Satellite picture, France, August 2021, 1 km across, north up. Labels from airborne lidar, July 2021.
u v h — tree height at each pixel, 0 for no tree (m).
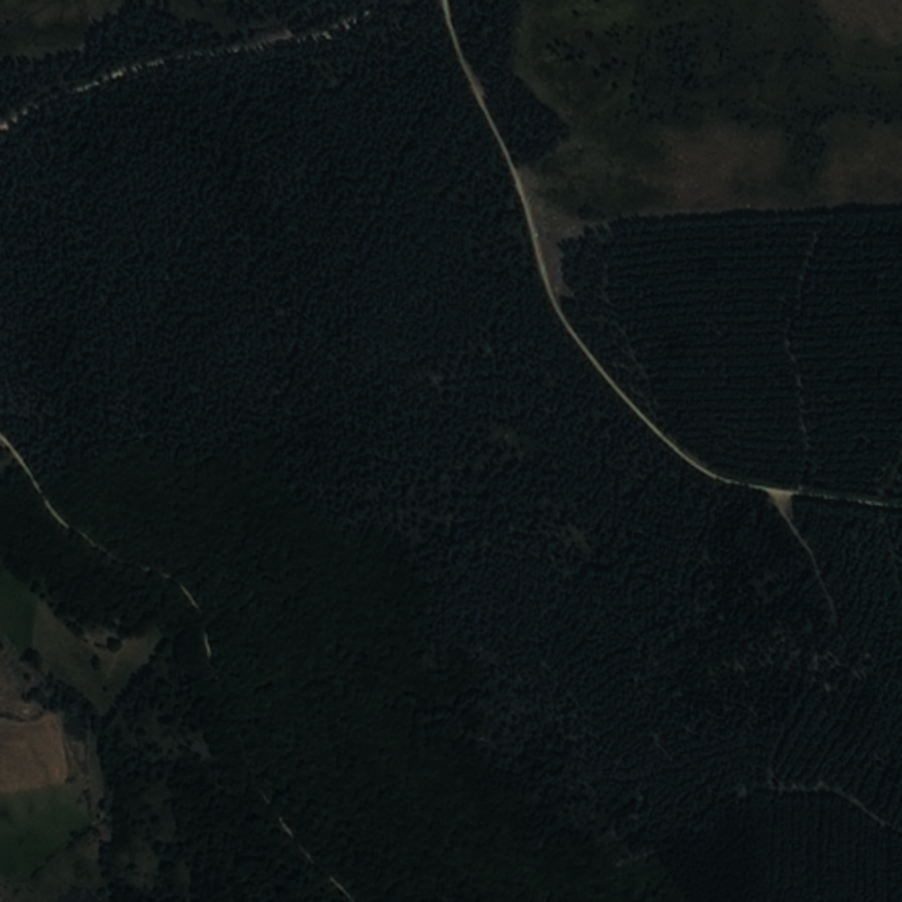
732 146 0
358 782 14
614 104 0
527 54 0
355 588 13
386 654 9
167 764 8
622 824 19
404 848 12
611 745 14
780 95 0
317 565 13
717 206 0
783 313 10
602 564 11
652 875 11
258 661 17
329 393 14
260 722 13
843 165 0
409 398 15
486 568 15
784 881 13
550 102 0
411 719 10
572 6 0
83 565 13
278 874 16
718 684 6
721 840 16
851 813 15
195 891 13
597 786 18
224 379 16
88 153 9
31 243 13
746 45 0
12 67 16
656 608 12
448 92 16
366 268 18
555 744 13
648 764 16
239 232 16
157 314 7
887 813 19
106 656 0
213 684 19
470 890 13
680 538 15
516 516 15
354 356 12
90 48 12
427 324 11
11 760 0
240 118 13
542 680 15
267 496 14
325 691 12
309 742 11
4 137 13
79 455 14
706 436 13
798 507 13
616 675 16
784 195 0
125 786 15
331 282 14
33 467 14
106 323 16
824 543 15
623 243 11
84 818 0
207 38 12
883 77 0
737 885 15
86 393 12
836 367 14
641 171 0
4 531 18
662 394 16
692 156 0
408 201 16
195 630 18
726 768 18
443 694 11
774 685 7
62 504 15
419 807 11
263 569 15
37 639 0
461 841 11
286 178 14
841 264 18
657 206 0
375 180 16
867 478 16
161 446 15
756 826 16
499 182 13
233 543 9
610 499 17
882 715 17
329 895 8
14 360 7
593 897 13
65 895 0
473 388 11
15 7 0
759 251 14
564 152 0
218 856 12
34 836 0
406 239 17
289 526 12
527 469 15
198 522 12
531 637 15
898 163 0
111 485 13
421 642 8
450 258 15
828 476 18
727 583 14
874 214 16
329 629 13
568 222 0
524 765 11
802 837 16
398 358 13
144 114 11
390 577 11
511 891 13
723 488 11
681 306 16
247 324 14
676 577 18
